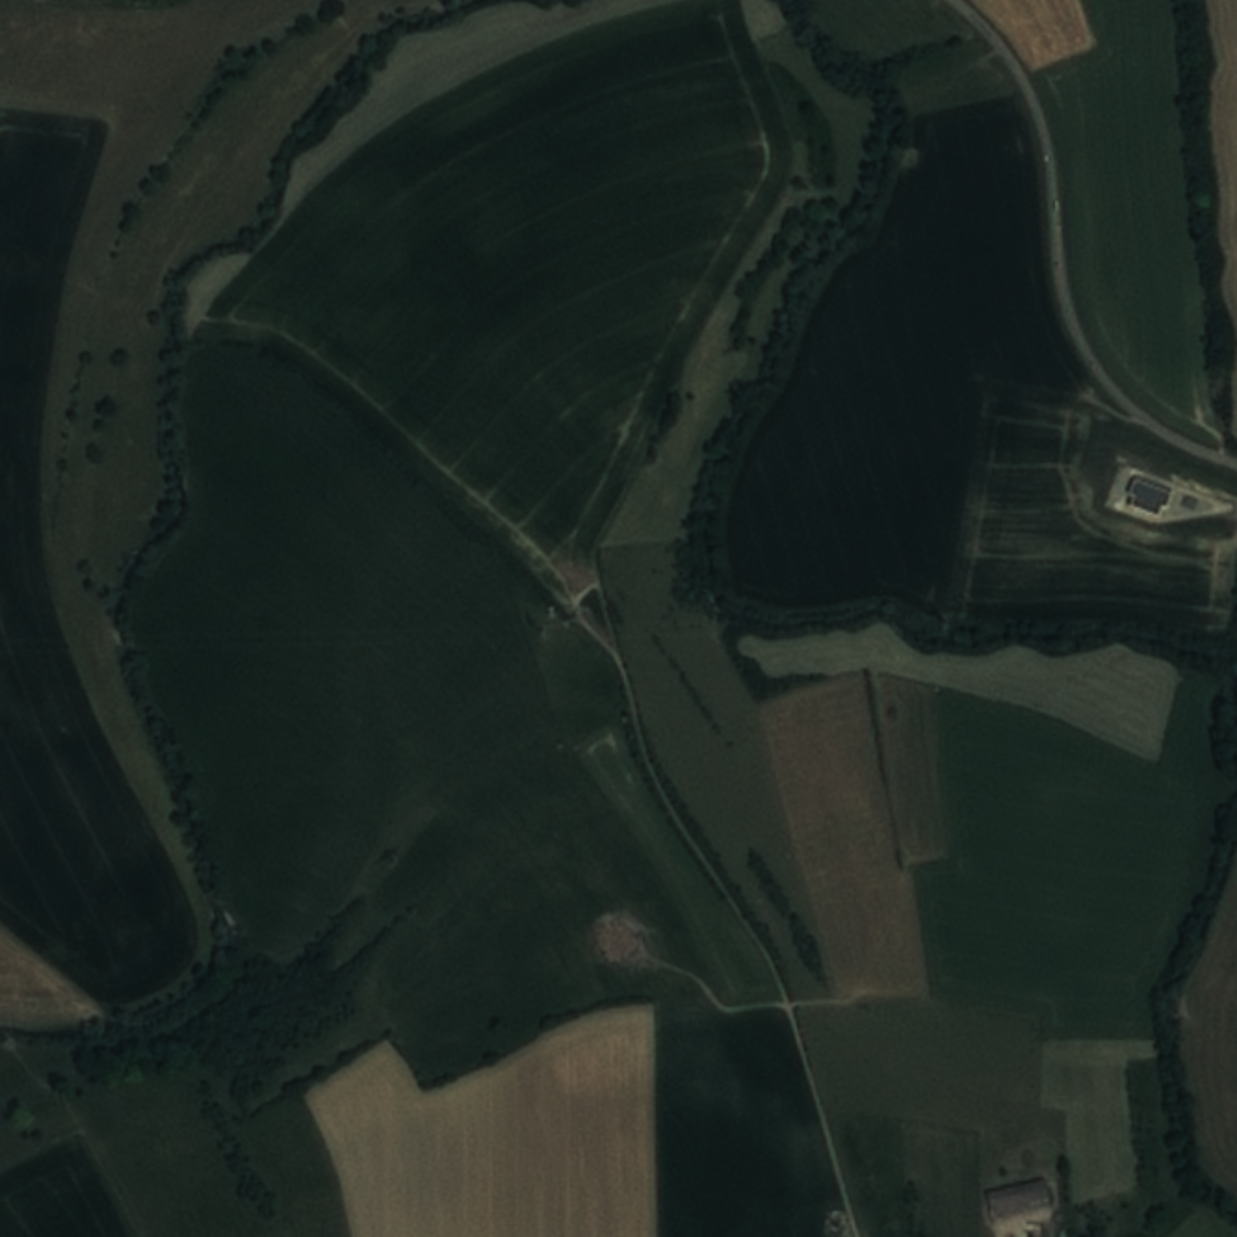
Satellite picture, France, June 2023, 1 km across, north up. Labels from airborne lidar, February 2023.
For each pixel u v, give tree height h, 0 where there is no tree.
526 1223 0
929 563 0
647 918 0
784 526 0
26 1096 0
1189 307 0
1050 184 0
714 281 0
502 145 0
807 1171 0
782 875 0
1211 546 0
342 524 0
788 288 14
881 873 0
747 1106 0
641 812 0
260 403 0
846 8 0
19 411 0
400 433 0
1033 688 0
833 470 0
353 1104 0
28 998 0
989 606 0
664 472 0
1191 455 0
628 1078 0
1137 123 0
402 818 0
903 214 0
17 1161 0
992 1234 0
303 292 0
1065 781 0
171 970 0
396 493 0
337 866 0
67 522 0
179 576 0
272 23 0
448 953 0
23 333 0
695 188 0
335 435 0
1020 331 0
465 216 0
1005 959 0
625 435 0
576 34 0
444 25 8
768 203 0
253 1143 0
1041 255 0
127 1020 11
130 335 0
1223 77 0
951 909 0
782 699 0
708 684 0
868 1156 0
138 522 0
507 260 0
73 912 0
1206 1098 0
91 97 0
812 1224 0
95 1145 0
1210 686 0
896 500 0
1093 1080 0
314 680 0
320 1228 0
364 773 0
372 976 0
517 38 0
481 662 0
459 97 0
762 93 0
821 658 0
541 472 0
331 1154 0
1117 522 0
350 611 0
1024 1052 0
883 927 0
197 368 0
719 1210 0
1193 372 0
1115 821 0
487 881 0
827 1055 0
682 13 0
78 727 0
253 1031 8
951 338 0
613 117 0
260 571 0
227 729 0
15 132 0
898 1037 0
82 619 0
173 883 0
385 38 10
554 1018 5
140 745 0
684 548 6
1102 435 0
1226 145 0
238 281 0
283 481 0
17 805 0
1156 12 0
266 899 0
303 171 0
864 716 0
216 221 0
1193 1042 0
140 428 0
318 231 0
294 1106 0
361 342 0
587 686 0
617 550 0
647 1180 0
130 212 16
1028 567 0
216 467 0
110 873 0
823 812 0
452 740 0
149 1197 0
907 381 0
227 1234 0
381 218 0
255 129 0
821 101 0
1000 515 0
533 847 0
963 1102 0
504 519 0
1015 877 0
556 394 0
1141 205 0
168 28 0
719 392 0
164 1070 15
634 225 0
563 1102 0
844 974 0
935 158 0
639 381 0
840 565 0
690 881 0
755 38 0
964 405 0
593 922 0
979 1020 0
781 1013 0
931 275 0
